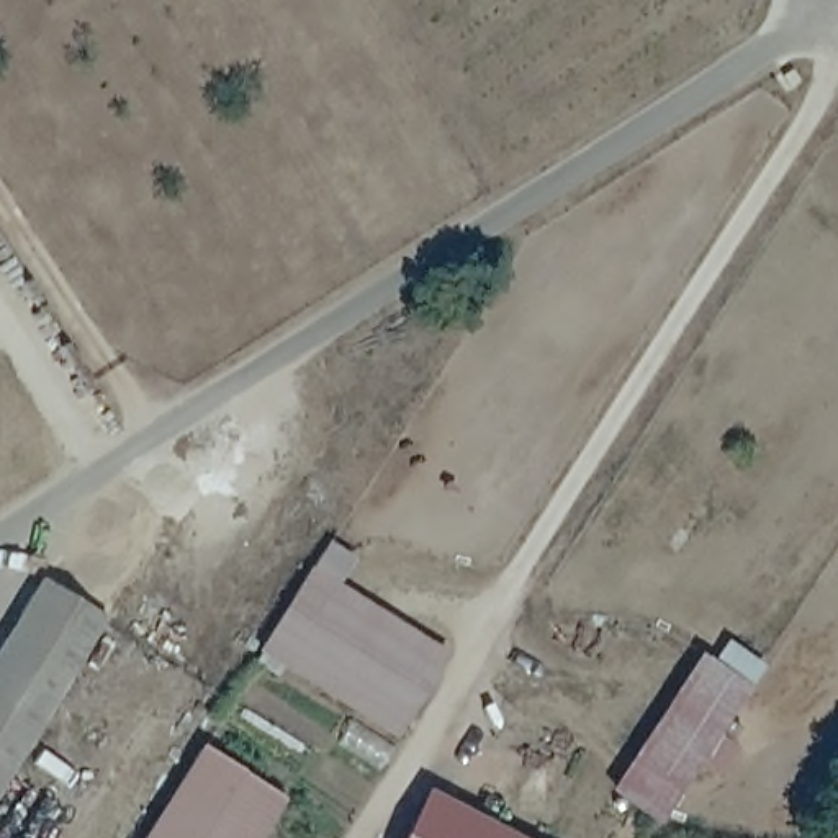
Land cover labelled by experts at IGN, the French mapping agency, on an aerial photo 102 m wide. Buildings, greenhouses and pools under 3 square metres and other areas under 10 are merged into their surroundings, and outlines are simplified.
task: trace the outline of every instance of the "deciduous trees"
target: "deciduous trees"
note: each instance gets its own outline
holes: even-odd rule
[[[262,746],[252,737],[255,727],[249,733],[223,730],[219,737],[232,750],[229,756],[252,773],[255,766],[262,766]]]
[[[501,259],[494,265],[445,265],[429,272],[429,278],[416,288],[412,304],[409,314],[422,324],[465,331],[475,331],[481,324],[484,304],[491,304],[498,291],[511,285],[511,249],[504,242]]]
[[[812,809],[802,815],[789,815],[795,825],[789,838],[838,838],[838,756],[828,763],[828,786],[815,795]]]
[[[216,69],[206,82],[210,108],[226,121],[246,118],[249,105],[262,92],[262,69],[255,62],[242,62]]]

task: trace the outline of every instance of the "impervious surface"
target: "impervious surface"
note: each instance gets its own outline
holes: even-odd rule
[[[321,308],[301,314],[278,334],[246,350],[236,363],[219,367],[213,376],[200,383],[203,393],[196,393],[190,403],[164,412],[147,429],[134,432],[128,442],[95,458],[88,468],[69,475],[59,488],[46,491],[39,501],[33,501],[29,507],[0,524],[0,648],[13,635],[16,622],[23,619],[26,606],[33,602],[43,583],[52,579],[72,596],[79,596],[85,586],[69,570],[52,566],[46,553],[49,524],[65,507],[72,507],[82,494],[108,484],[134,458],[160,448],[180,426],[187,429],[193,419],[229,403],[252,383],[282,370],[308,347],[321,344],[327,334],[340,327],[347,331],[354,331],[360,321],[376,318],[380,311],[399,311],[403,304],[412,304],[416,288],[429,278],[429,272],[445,265],[494,265],[501,259],[504,242],[498,239],[498,232],[504,226],[517,226],[524,216],[537,213],[540,203],[553,203],[566,187],[576,190],[579,183],[596,180],[612,164],[632,157],[648,141],[668,134],[684,118],[743,88],[773,65],[773,56],[786,49],[838,49],[838,0],[773,0],[763,26],[750,33],[743,46],[723,52],[720,59],[681,79],[678,85],[668,85],[658,98],[635,105],[615,128],[560,154],[560,160],[543,173],[530,173],[504,193],[488,196],[481,206],[475,206],[481,216],[475,229],[442,229],[439,236],[419,246],[416,259],[406,262],[399,255],[390,255],[363,278],[331,295]]]

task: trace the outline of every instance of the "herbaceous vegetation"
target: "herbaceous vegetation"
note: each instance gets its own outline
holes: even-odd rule
[[[651,157],[658,151],[681,141],[687,131],[710,121],[714,115],[720,115],[723,108],[737,105],[753,92],[766,92],[795,111],[802,108],[812,88],[812,62],[792,59],[773,65],[743,88],[684,118],[668,134],[648,141],[632,157],[612,164],[596,180],[579,183],[576,190],[566,187],[553,203],[540,203],[537,213],[524,216],[517,226],[504,226],[498,232],[498,239],[504,242],[511,249],[530,229],[543,226],[556,213],[570,213],[576,203],[599,193],[602,187],[612,187],[615,196],[596,206],[596,216],[606,219],[622,213],[651,187]]]
[[[105,386],[105,376],[124,367],[128,354],[115,354],[98,367],[85,360],[82,344],[65,331],[65,318],[59,314],[59,308],[49,304],[46,288],[36,282],[33,268],[26,265],[26,255],[16,249],[7,223],[0,219],[0,278],[20,288],[10,298],[10,304],[16,311],[33,311],[39,337],[56,344],[52,360],[59,367],[72,367],[72,396],[95,396],[101,412],[111,412],[115,426],[124,426],[124,412],[115,393]]]
[[[177,517],[164,517],[151,560],[144,560],[141,573],[128,586],[121,586],[121,592],[115,596],[111,619],[111,625],[95,638],[88,658],[79,661],[79,674],[65,694],[72,720],[59,720],[43,730],[43,737],[23,759],[20,789],[0,799],[0,838],[147,838],[206,746],[229,756],[232,750],[219,737],[206,730],[210,710],[216,710],[226,701],[232,684],[255,661],[262,661],[265,642],[278,629],[282,615],[288,612],[298,589],[321,563],[331,543],[354,553],[350,579],[380,592],[383,599],[393,596],[393,589],[406,589],[448,599],[475,599],[511,566],[520,547],[517,537],[507,537],[507,543],[484,540],[475,550],[455,547],[452,553],[432,553],[419,550],[406,537],[393,537],[390,520],[380,514],[380,507],[386,507],[403,491],[412,468],[422,465],[419,448],[432,439],[432,412],[445,399],[445,383],[439,380],[439,373],[465,331],[422,324],[409,314],[412,304],[403,304],[399,311],[380,311],[376,318],[360,321],[354,331],[347,331],[324,354],[318,354],[308,367],[298,370],[301,442],[308,445],[314,465],[295,475],[282,488],[282,494],[268,501],[262,517],[252,527],[236,530],[236,537],[226,543],[187,547],[183,524]]]
[[[704,655],[710,642],[691,638],[665,619],[651,622],[648,615],[606,606],[563,609],[553,606],[553,599],[534,602],[527,592],[511,625],[511,661],[494,674],[494,684],[501,687],[504,730],[517,743],[514,753],[520,756],[520,766],[530,769],[530,786],[537,792],[547,789],[543,812],[534,822],[517,818],[514,831],[527,838],[632,838],[635,825],[629,805],[619,802],[619,782]]]

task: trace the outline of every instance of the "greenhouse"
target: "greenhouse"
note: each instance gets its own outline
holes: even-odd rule
[[[399,746],[383,746],[363,737],[360,730],[347,727],[344,746],[373,759],[383,776],[396,766]]]

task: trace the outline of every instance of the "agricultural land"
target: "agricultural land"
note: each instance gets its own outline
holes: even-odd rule
[[[786,137],[795,111],[766,92],[753,92],[737,105],[723,108],[720,115],[714,115],[710,121],[687,131],[681,141],[658,151],[651,157],[651,187],[622,213],[606,219],[596,216],[596,206],[615,196],[612,187],[602,187],[599,193],[576,203],[570,213],[556,213],[543,226],[530,229],[511,249],[511,285],[498,291],[491,304],[484,304],[481,324],[475,331],[465,331],[439,373],[439,380],[445,383],[445,399],[432,412],[432,439],[419,448],[422,465],[412,468],[403,491],[386,507],[380,507],[380,514],[390,520],[393,537],[406,537],[419,550],[432,553],[452,553],[455,547],[475,550],[484,540],[507,543],[507,537],[517,537],[520,547],[527,543],[553,494],[560,491],[570,468],[576,465],[596,426],[606,419],[619,390],[648,350],[651,337],[668,321],[681,291],[704,265],[723,226],[743,203],[746,190]]]
[[[262,746],[262,766],[255,766],[252,773],[278,792],[288,792],[288,805],[275,828],[278,838],[344,838],[344,831],[354,825],[357,812],[367,805],[383,776],[373,759],[344,746],[347,727],[360,730],[363,737],[383,746],[399,746],[396,733],[354,714],[324,687],[298,674],[272,674],[262,661],[255,661],[232,684],[226,701],[216,710],[210,710],[206,730],[219,737],[223,730],[249,733],[255,727],[252,737]]]
[[[10,354],[0,347],[0,507],[49,478],[46,442],[56,432],[39,412],[26,383],[20,380]]]
[[[743,733],[727,733],[714,763],[701,763],[701,769],[687,776],[687,789],[681,792],[671,812],[674,822],[665,822],[651,838],[789,838],[795,825],[789,815],[802,815],[812,809],[815,795],[828,786],[828,763],[838,756],[838,95],[818,121],[818,128],[812,131],[812,137],[805,141],[789,173],[782,177],[782,183],[776,187],[776,193],[769,196],[769,203],[763,206],[763,213],[756,216],[756,223],[750,226],[746,239],[720,272],[717,285],[707,291],[697,314],[671,347],[655,383],[615,435],[612,448],[579,491],[576,504],[543,547],[530,573],[527,592],[534,602],[553,599],[553,606],[563,609],[606,606],[648,615],[651,622],[665,619],[691,638],[710,642],[704,655],[720,655],[727,645],[740,645],[753,658],[766,661],[766,674],[750,694],[753,710],[740,714]]]
[[[658,98],[668,85],[678,85],[681,79],[720,59],[723,52],[743,46],[750,33],[763,26],[773,0],[0,0],[0,180],[20,203],[23,216],[33,223],[36,236],[46,242],[49,255],[59,262],[62,275],[69,278],[69,285],[75,288],[75,295],[82,298],[85,311],[101,327],[115,354],[128,354],[124,367],[141,380],[141,386],[154,399],[170,399],[183,386],[200,383],[213,376],[219,367],[236,363],[246,350],[278,334],[301,314],[321,308],[331,295],[363,278],[390,255],[399,255],[406,262],[416,259],[419,246],[439,236],[442,229],[475,229],[481,216],[475,206],[481,206],[488,196],[504,193],[530,173],[543,173],[560,160],[560,154],[615,128],[635,105]],[[262,92],[249,105],[246,118],[226,121],[210,108],[206,82],[216,69],[242,62],[255,62],[262,69]]]

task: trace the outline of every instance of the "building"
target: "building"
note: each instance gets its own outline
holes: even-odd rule
[[[743,733],[740,714],[753,710],[750,694],[766,674],[766,661],[753,658],[740,645],[727,645],[720,655],[704,655],[619,782],[619,802],[629,805],[635,825],[632,838],[651,838],[665,822],[674,822],[671,812],[681,792],[687,789],[687,776],[701,769],[701,763],[714,763],[727,733]]]
[[[65,694],[79,674],[79,661],[88,658],[95,638],[111,625],[111,619],[105,615],[105,609],[85,606],[79,596],[72,596],[52,579],[43,583],[33,602],[26,606],[23,619],[16,622],[13,635],[0,648],[0,799],[20,789],[23,759],[43,737],[43,730],[59,720],[72,720]]]
[[[507,809],[501,792],[471,792],[445,776],[419,769],[403,799],[396,802],[383,838],[527,838],[514,831],[517,818],[517,812]]]
[[[321,563],[298,589],[288,612],[282,615],[278,629],[265,642],[262,661],[272,674],[298,674],[324,687],[354,714],[396,733],[399,746],[409,743],[416,723],[432,707],[455,645],[445,638],[445,645],[435,645],[409,625],[396,622],[363,596],[350,592],[350,579],[354,553],[331,543]]]
[[[206,746],[147,838],[278,838],[275,828],[288,805],[288,792],[278,792],[252,773],[229,756]]]

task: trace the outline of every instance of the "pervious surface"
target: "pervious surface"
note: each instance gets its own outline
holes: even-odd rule
[[[511,566],[475,599],[448,599],[406,589],[393,589],[393,596],[383,599],[380,592],[350,579],[350,592],[363,596],[396,622],[409,625],[435,645],[445,645],[445,638],[455,645],[432,707],[416,723],[409,743],[399,746],[396,766],[383,776],[367,805],[357,812],[354,825],[344,831],[344,838],[383,838],[396,802],[403,799],[419,769],[445,776],[471,792],[501,792],[507,809],[517,812],[517,818],[534,822],[543,812],[547,789],[537,792],[530,786],[530,769],[520,766],[520,756],[514,753],[517,743],[504,730],[501,687],[494,684],[494,674],[511,661],[511,625],[527,592],[530,573],[543,547],[576,504],[579,491],[612,448],[615,435],[655,383],[671,347],[697,314],[707,291],[717,285],[720,272],[746,239],[750,226],[756,223],[756,216],[763,213],[763,206],[769,203],[769,196],[776,193],[776,187],[782,183],[782,177],[789,173],[805,141],[812,137],[812,131],[818,128],[818,121],[838,95],[838,49],[786,49],[773,56],[773,65],[792,59],[812,62],[812,88],[802,108],[795,111],[786,137],[746,190],[743,203],[723,226],[704,265],[681,291],[668,321],[651,337],[648,350],[619,390],[606,419],[596,426],[576,465],[570,468],[560,491],[553,494],[527,543],[520,547]]]
[[[340,327],[327,334],[321,344],[308,347],[282,370],[252,383],[229,403],[193,419],[187,429],[180,426],[160,448],[134,458],[108,484],[82,494],[72,507],[65,507],[49,524],[46,553],[52,566],[69,570],[85,586],[79,596],[85,606],[105,609],[105,615],[111,619],[115,596],[121,592],[121,586],[128,586],[141,573],[144,560],[151,560],[164,517],[177,517],[183,524],[187,547],[226,543],[236,537],[236,530],[252,527],[262,517],[268,501],[282,494],[282,488],[295,475],[314,465],[308,445],[301,442],[298,370],[308,367],[318,354],[324,354],[347,331]]]
[[[105,386],[115,393],[124,412],[124,426],[115,426],[111,412],[101,412],[95,396],[72,396],[72,367],[59,367],[52,360],[56,344],[39,337],[33,311],[16,311],[10,304],[10,298],[20,288],[0,278],[0,347],[10,354],[20,380],[26,383],[39,412],[56,432],[46,442],[49,478],[0,507],[0,524],[29,507],[33,501],[39,501],[46,491],[59,488],[69,475],[88,468],[95,458],[128,442],[134,432],[147,429],[164,412],[190,403],[196,393],[203,393],[200,383],[183,386],[170,399],[154,399],[141,386],[141,380],[124,367],[105,376]]]
[[[0,180],[0,219],[7,223],[16,249],[26,255],[26,265],[33,268],[36,282],[46,288],[49,304],[59,308],[59,314],[65,318],[65,331],[82,344],[85,360],[98,367],[115,354],[101,327],[85,311],[82,298],[75,295],[75,288],[69,285],[69,278],[62,275],[59,262],[49,255],[46,242],[36,236],[33,223],[23,216],[20,203]]]

